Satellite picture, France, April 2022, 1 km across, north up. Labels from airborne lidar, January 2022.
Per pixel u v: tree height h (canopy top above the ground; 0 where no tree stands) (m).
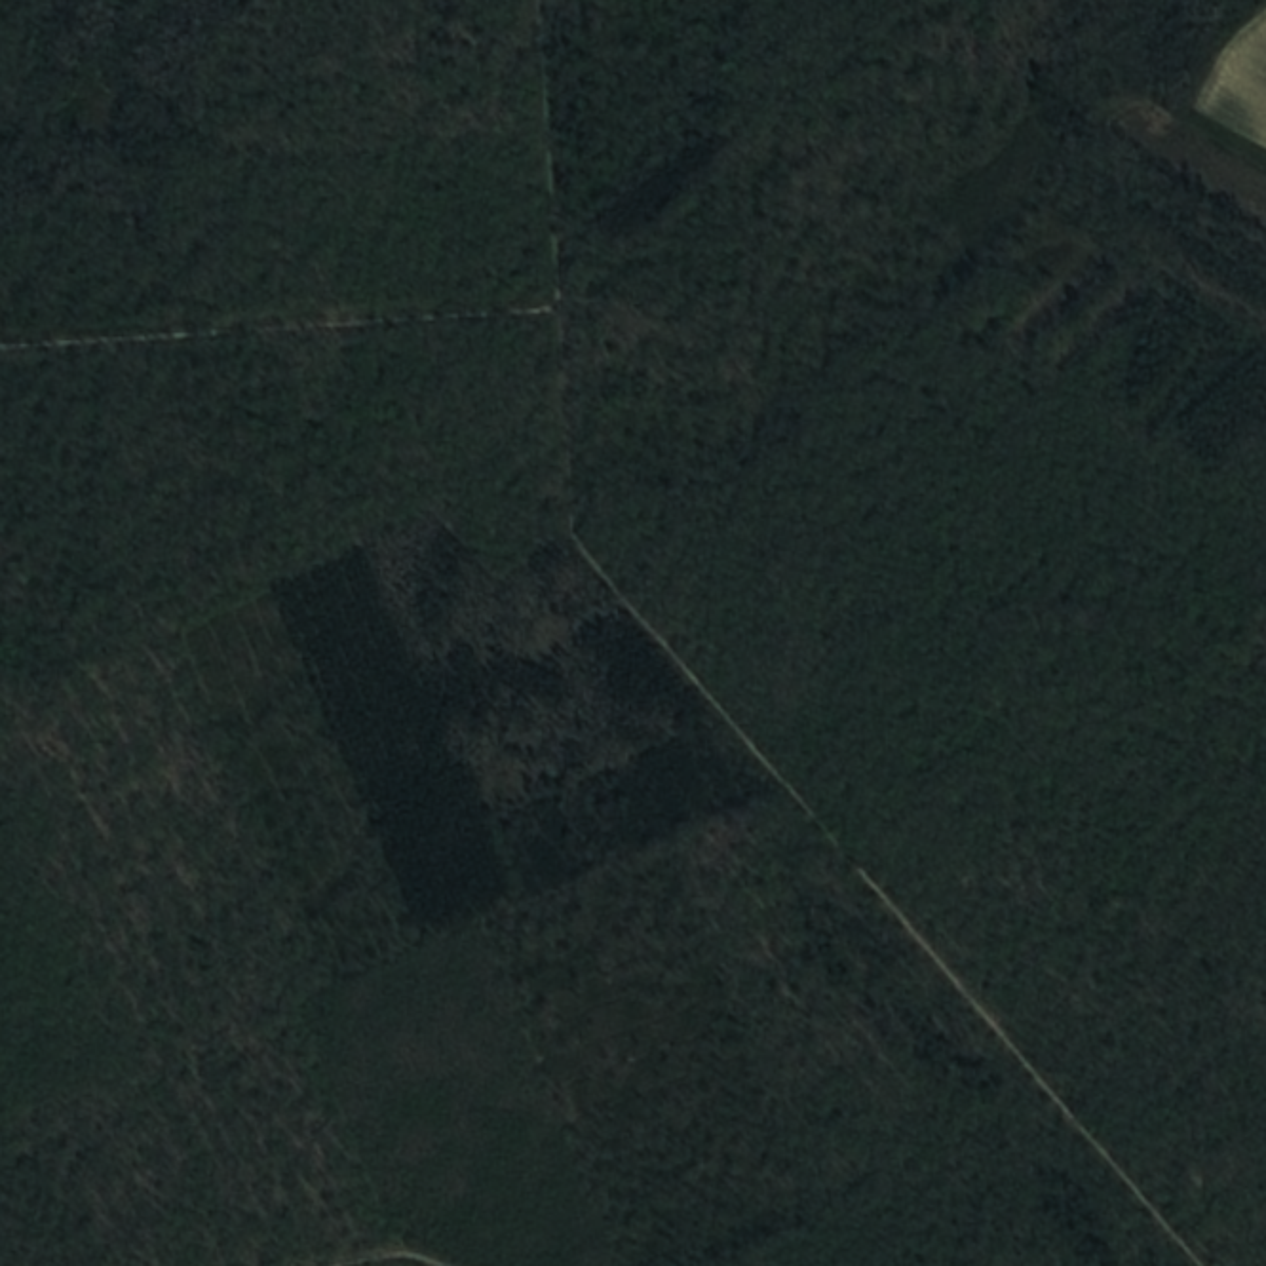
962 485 25
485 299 23
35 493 23
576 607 20
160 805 22
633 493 27
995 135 26
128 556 20
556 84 23
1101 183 23
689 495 30
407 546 21
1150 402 26
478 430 24
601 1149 20
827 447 25
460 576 20
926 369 23
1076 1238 24
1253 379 26
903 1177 24
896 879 23
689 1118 22
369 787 12
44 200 25
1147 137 0
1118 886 26
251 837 21
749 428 23
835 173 25
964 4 25
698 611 24
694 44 22
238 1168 26
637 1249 18
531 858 10
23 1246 21
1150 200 19
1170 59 22
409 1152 0
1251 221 26
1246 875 23
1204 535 27
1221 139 0
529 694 19
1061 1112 17
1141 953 25
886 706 23
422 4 25
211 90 25
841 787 26
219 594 23
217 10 24
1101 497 25
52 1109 21
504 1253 0
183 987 22
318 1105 21
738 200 26
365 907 22
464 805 15
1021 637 28
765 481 25
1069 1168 24
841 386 24
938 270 23
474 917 15
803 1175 21
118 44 20
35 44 19
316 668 13
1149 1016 22
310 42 22
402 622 15
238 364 22
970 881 23
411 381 25
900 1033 28
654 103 26
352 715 16
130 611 25
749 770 14
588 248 25
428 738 15
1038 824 22
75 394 25
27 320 26
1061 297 0
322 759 21
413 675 16
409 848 18
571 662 24
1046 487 24
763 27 22
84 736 26
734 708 18
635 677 22
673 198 23
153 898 22
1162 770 26
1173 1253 22
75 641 24
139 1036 21
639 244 24
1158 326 29
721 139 19
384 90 22
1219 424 26
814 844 25
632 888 22
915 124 25
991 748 22
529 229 19
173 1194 22
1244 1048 22
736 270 25
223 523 26
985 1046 27
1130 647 27
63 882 22
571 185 24
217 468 23
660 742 14
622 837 10
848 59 29
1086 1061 21
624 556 22
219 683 5
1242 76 0
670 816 9
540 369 23
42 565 23
